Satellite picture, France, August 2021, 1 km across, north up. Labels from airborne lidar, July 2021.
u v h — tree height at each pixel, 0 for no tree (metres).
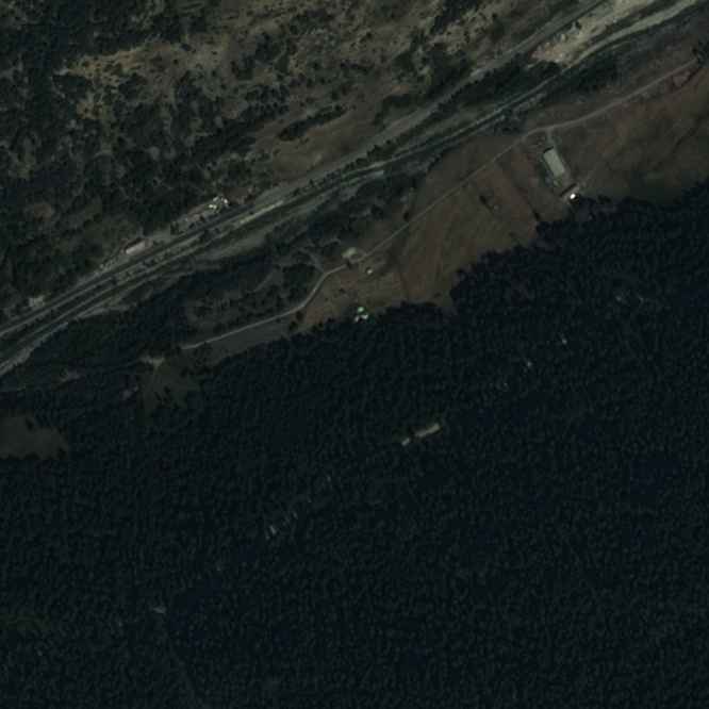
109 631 25
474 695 20
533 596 19
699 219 6
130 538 27
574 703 24
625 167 0
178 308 13
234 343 0
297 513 0
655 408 12
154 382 0
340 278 0
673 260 23
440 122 0
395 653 26
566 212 0
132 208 11
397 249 0
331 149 0
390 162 0
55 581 23
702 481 25
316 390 15
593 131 0
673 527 16
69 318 0
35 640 7
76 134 15
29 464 12
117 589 28
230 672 15
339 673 17
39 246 16
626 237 23
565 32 0
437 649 32
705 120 0
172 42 6
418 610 24
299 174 0
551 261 16
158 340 12
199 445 17
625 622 8
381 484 28
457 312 0
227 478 28
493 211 0
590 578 8
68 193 13
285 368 21
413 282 0
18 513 20
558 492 24
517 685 10
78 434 16
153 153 0
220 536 34
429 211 0
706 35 0
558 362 28
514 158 0
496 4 0
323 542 17
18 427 0
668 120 0
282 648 25
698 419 27
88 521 18
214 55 0
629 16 0
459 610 21
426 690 18
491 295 17
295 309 0
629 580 24
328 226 10
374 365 23
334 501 10
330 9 0
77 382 9
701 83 0
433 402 27
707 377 16
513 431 23
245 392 19
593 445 26
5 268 11
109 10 11
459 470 7
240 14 0
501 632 19
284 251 11
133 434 16
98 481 18
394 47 0
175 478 13
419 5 0
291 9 0
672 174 0
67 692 29
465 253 0
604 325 16
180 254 0
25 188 16
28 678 19
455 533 19
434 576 16
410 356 21
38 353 12
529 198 0
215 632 19
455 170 0
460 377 30
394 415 31
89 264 18
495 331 28
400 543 18
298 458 15
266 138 0
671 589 19
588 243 24
